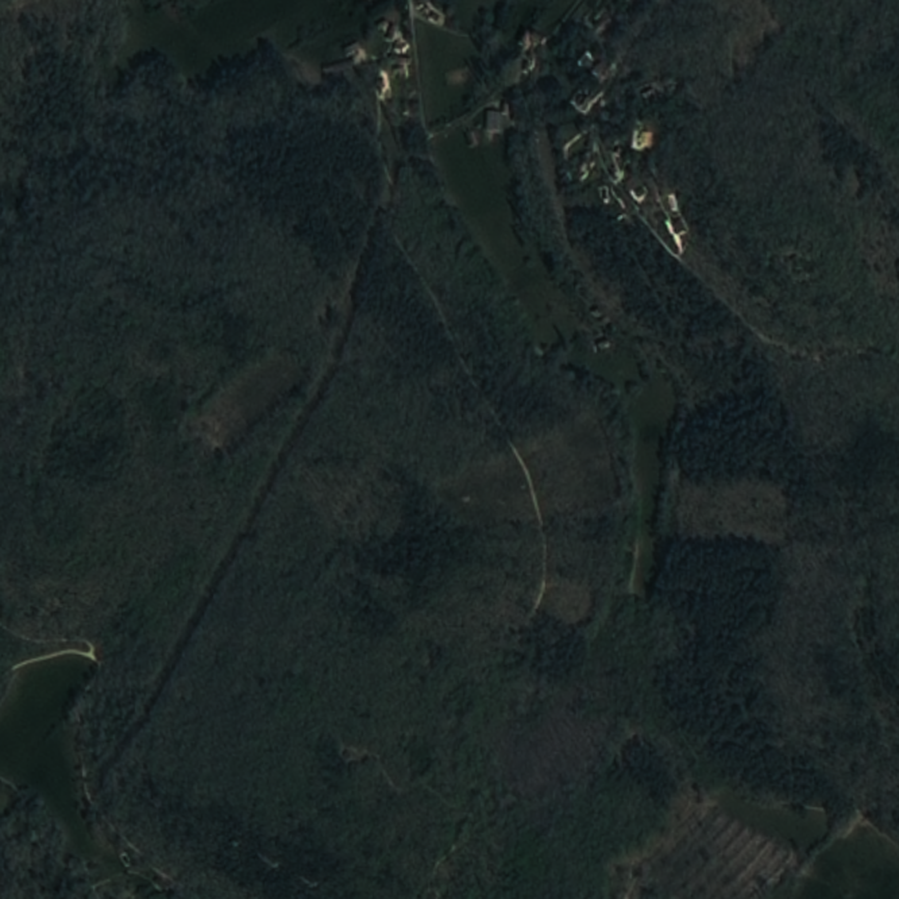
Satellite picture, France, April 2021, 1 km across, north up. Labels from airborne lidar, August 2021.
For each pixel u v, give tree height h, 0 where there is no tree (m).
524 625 13
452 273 17
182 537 15
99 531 15
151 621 18
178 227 18
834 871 0
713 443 21
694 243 12
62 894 17
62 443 8
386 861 15
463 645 16
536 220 16
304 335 18
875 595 9
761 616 21
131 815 15
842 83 11
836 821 14
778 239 13
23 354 23
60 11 17
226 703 14
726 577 29
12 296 20
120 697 14
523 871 20
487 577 12
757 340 15
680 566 12
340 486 14
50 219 17
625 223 7
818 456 11
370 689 14
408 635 13
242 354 10
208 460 14
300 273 14
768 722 15
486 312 18
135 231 15
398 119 10
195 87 0
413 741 9
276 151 25
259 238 19
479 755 20
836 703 14
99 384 14
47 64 24
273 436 16
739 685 17
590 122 6
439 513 11
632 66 12
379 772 16
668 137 13
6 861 22
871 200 11
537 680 19
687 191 12
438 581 11
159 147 12
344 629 15
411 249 21
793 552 17
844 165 15
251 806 11
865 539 14
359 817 12
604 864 15
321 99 16
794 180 17
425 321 22
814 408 14
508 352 20
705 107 12
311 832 9
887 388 14
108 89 9
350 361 18
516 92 14
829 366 14
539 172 11
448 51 0
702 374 5
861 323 23
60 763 0
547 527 15
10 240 24
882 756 18
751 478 20
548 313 8
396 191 14
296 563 16
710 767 13
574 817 22
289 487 18
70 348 19
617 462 15
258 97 26
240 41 0
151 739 13
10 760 0
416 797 16
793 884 13
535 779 17
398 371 20
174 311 8
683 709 23
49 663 0
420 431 17
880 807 10
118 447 9
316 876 8
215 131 23
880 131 16
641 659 15
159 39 0
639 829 15
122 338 15
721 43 17
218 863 10
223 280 19
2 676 17
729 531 0
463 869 17
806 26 17
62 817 0
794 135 15
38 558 11
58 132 23
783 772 13
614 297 12
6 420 15
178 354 14
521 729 18
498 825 20
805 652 14
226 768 16
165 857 16
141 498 17
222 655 12
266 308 14
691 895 15
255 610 14
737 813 0
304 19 0
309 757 13
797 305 15
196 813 11
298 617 14
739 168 14
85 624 16
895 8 22
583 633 18
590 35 16
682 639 13
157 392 9
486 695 20
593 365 0
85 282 11
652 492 0
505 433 18
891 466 12
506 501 0
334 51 0
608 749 19
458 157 0
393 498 10
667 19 15
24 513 13
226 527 16
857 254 13
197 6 7
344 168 23
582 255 9
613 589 20
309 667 15
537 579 12
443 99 0
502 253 0
